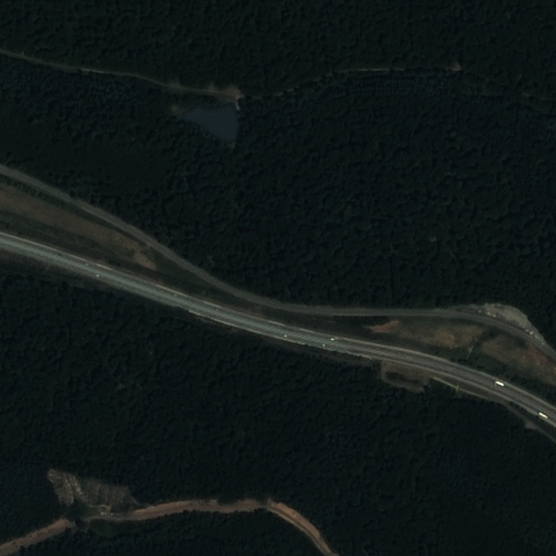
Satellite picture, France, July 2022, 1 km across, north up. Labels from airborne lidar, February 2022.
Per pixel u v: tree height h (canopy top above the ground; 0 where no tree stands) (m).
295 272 26
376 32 21
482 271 26
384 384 15
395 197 24
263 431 15
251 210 19
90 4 22
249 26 27
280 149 28
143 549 16
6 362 27
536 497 22
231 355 26
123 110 27
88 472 26
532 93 11
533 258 31
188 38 27
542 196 24
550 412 0
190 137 19
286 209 29
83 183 21
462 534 11
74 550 22
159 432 19
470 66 23
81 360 9
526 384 7
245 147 29
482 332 0
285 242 24
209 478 21
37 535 0
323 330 0
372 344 0
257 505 0
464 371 0
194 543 18
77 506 6
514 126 27
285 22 22
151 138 22
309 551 19
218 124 0
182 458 16
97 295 24
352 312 0
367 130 22
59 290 10
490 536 11
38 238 0
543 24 25
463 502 10
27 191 6
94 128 23
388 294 25
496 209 29
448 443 22
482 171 26
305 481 23
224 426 24
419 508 27
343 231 31
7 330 22
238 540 7
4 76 24
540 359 0
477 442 18
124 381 20
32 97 27
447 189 29
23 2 19
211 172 22
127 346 22
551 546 18
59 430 21
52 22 24
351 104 19
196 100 9
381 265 28
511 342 0
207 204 29
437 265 30
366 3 15
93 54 19
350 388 20
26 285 25
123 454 16
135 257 0
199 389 20
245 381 27
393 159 24
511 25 23
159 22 27
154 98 16
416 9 27
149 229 21
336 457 18
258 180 27
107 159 9
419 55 19
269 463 19
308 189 23
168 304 0
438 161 28
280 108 22
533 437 20
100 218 0
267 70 15
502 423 17
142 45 10
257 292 11
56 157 8
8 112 8
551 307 24
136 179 10
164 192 10
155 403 26
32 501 18
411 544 28
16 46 22
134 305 7
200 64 24
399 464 19
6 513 21
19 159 10
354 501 25
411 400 26
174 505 0
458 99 14
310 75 13
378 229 27
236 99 0
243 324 0
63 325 12
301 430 17
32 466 24
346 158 21
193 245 27
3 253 0
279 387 20
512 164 19
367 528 24
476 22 22
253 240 24
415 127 17
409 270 27
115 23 25
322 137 21
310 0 24
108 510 0
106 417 25
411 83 28
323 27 18
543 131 25
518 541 10
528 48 24
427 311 0
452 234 18
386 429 27
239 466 27
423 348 0
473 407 19
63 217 0
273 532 19
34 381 23
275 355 21
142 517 0
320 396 24
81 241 0
